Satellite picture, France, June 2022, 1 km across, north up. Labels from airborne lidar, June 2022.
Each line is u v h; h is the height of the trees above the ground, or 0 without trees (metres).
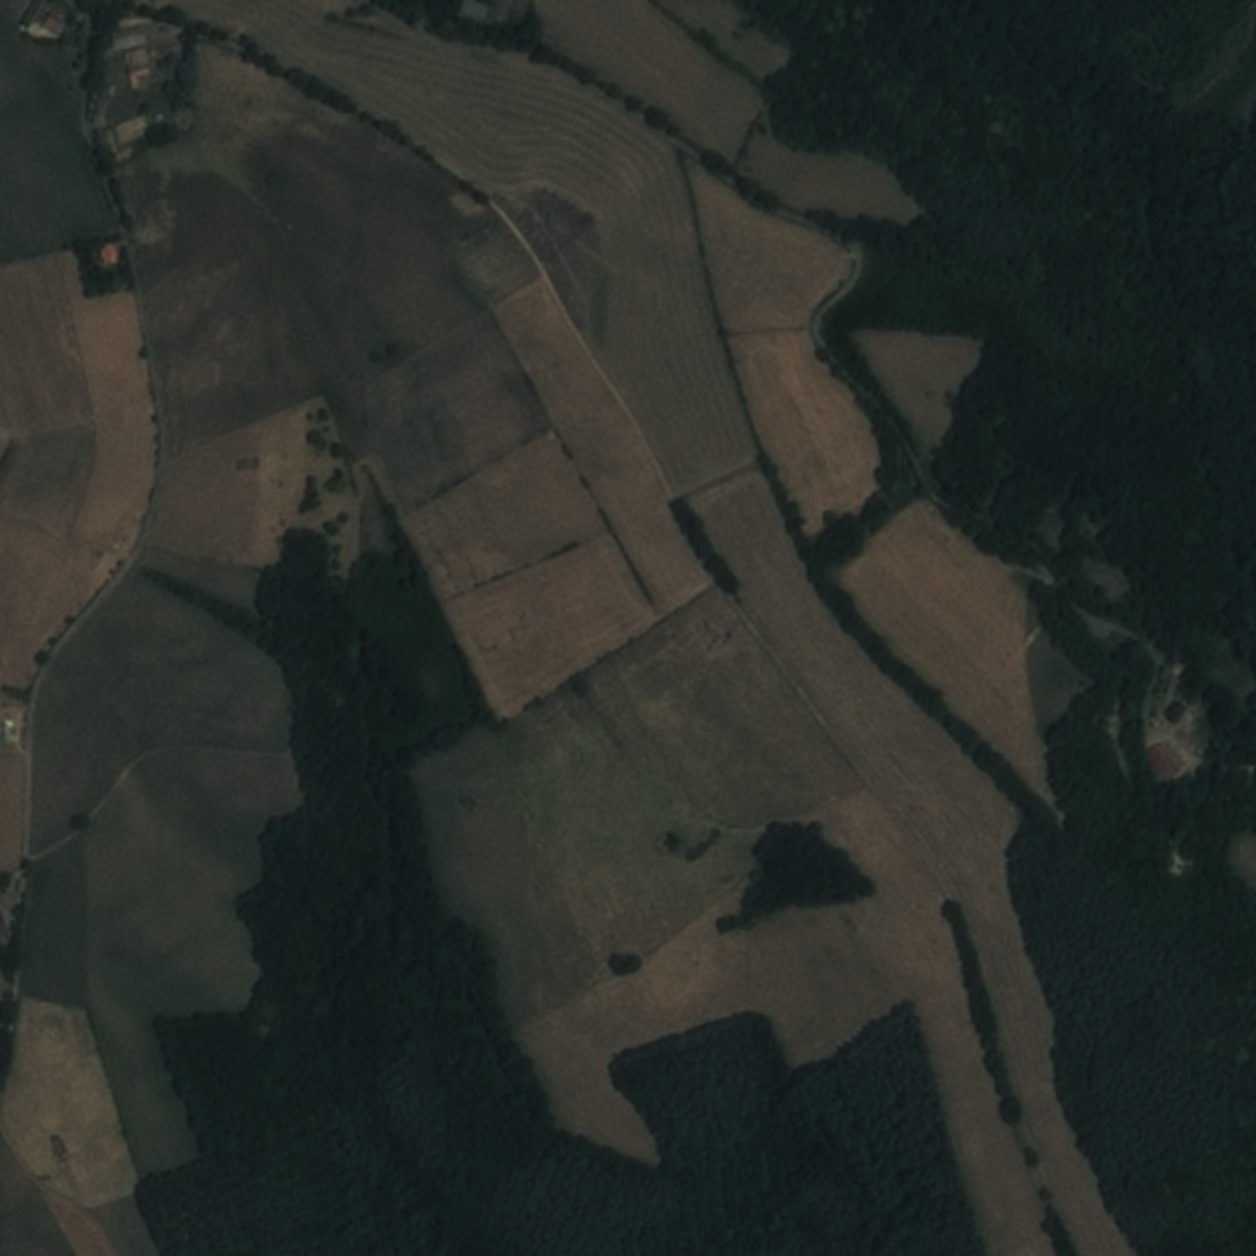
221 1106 13
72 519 0
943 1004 0
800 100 20
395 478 0
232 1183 17
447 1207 23
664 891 0
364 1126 25
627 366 0
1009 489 16
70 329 0
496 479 0
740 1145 19
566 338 0
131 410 0
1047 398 22
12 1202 0
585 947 0
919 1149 21
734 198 0
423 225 0
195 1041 13
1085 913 22
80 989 0
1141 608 15
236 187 0
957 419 7
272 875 14
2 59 0
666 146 0
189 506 0
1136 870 12
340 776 17
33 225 0
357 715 24
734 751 0
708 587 0
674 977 0
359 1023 25
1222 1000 20
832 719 0
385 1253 29
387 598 0
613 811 0
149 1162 0
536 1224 21
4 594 0
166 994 0
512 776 0
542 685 0
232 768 0
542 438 0
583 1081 0
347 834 20
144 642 0
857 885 13
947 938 0
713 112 0
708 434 0
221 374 0
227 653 0
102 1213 0
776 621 0
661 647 0
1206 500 22
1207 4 17
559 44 0
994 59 27
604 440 0
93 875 0
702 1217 20
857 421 0
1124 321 23
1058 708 0
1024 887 14
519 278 0
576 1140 15
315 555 17
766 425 0
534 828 0
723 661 0
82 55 8
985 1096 0
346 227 0
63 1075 0
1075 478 21
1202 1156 22
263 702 0
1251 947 12
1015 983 0
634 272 0
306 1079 25
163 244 0
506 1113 20
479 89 0
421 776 0
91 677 0
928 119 20
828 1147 18
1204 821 17
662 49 0
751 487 0
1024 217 22
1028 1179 0
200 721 0
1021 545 11
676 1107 14
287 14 0
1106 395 28
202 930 0
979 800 0
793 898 20
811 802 0
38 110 0
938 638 0
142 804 0
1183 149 15
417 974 17
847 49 25
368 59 0
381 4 10
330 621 19
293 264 0
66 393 0
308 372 0
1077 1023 19
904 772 0
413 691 7
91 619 0
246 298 0
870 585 0
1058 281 19
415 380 0
